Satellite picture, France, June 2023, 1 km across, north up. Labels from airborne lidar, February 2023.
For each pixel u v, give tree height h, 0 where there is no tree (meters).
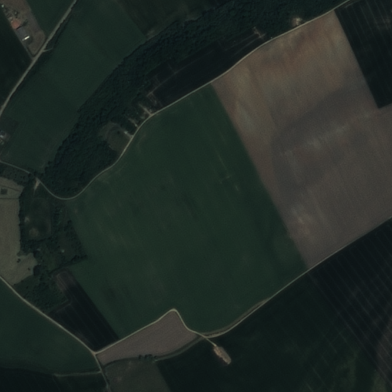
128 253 0
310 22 0
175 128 0
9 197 0
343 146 0
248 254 0
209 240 0
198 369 0
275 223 0
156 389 0
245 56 0
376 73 0
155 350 0
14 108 0
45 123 0
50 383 0
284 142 0
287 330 0
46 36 0
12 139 0
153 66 9
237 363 0
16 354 0
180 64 0
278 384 0
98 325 0
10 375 0
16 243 0
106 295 0
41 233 0
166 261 0
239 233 0
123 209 0
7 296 0
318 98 0
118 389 0
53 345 0
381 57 0
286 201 0
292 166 0
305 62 0
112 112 7
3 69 0
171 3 0
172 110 0
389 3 0
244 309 0
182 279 0
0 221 0
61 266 5
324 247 0
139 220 0
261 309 0
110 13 0
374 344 0
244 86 0
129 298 0
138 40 0
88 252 0
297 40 0
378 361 0
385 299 0
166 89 0
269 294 0
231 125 0
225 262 0
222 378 0
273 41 0
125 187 0
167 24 0
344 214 0
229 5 9
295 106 0
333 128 0
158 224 0
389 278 0
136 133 0
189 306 0
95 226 0
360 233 0
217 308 0
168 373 0
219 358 0
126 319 0
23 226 8
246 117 0
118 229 0
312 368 0
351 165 0
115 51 0
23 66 0
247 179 0
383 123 0
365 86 0
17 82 0
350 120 0
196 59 0
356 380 0
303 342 0
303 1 6
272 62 0
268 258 0
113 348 0
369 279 0
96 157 7
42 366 0
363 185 0
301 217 0
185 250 0
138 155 0
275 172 0
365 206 0
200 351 0
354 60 0
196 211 0
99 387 0
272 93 0
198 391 0
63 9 0
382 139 0
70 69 0
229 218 0
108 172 0
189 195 0
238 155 0
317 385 0
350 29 0
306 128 0
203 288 0
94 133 5
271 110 0
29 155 0
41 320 0
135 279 0
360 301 0
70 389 0
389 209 0
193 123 0
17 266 0
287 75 0
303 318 0
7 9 0
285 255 0
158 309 0
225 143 0
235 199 0
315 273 0
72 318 0
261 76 0
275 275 0
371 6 0
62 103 0
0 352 0
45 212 0
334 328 0
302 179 0
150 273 0
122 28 0
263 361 0
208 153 0
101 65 0
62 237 0
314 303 0
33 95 0
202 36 8
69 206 0
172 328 0
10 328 0
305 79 0
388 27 0
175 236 0
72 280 0
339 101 0
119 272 0
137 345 0
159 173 0
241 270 0
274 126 0
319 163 0
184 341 0
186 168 0
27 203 0
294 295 0
